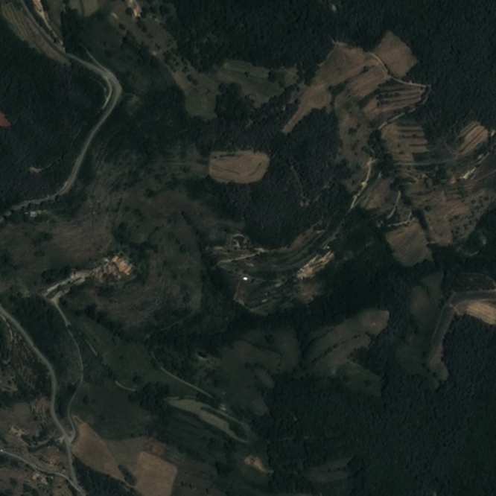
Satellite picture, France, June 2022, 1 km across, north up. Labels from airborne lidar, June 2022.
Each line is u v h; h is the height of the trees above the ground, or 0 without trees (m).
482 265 21
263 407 0
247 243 8
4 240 0
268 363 0
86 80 9
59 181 12
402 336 8
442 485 9
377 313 0
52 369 0
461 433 20
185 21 9
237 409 10
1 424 0
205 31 13
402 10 16
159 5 0
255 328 13
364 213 7
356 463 8
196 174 0
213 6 19
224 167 0
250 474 0
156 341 14
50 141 19
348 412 16
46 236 12
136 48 7
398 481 17
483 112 11
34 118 13
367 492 12
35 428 0
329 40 10
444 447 18
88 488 8
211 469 0
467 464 14
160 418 6
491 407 19
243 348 0
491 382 12
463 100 13
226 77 0
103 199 0
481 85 15
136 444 0
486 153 6
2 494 7
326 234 9
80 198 8
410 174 0
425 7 15
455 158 0
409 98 0
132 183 6
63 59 0
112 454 0
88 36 0
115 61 0
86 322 0
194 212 0
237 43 11
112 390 0
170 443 9
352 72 0
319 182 9
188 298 13
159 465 0
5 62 20
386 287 9
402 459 17
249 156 0
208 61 12
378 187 0
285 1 19
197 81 7
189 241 0
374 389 0
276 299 11
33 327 0
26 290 0
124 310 0
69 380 0
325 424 14
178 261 0
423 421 16
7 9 0
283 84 10
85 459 0
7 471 0
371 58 0
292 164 17
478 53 17
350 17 18
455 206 0
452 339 15
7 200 9
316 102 0
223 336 18
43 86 21
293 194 13
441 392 20
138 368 0
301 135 17
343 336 0
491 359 19
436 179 10
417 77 13
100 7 0
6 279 0
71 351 0
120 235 9
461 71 15
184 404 0
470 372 22
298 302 11
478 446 14
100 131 9
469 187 0
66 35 14
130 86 8
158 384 9
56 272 18
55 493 0
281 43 13
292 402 16
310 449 11
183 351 8
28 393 9
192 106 0
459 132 7
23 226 0
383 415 15
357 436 15
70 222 10
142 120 6
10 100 12
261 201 9
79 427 0
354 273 7
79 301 0
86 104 8
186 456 0
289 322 13
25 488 9
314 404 16
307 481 11
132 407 0
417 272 24
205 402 11
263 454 0
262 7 18
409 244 0
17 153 11
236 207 14
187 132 8
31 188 13
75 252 0
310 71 12
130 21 0
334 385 7
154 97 7
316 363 9
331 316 11
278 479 15
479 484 23
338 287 8
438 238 0
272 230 11
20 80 19
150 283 0
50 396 9
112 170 0
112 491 12
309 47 22
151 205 0
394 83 6
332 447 14
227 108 12
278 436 13
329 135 16
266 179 14
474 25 26
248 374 0
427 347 0
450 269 18
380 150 9
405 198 7
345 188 9
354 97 0
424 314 0
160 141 8
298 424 14
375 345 10
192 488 7
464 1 30
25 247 0
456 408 16
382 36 10
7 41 17
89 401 14
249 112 12
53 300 0
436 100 12
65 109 12
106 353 0
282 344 0
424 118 16
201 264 0
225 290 15
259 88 0
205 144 10
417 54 11
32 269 0
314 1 13
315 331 10
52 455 0
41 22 11
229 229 12
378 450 13
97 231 0
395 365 13
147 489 0
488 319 0
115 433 0
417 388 15
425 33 18
